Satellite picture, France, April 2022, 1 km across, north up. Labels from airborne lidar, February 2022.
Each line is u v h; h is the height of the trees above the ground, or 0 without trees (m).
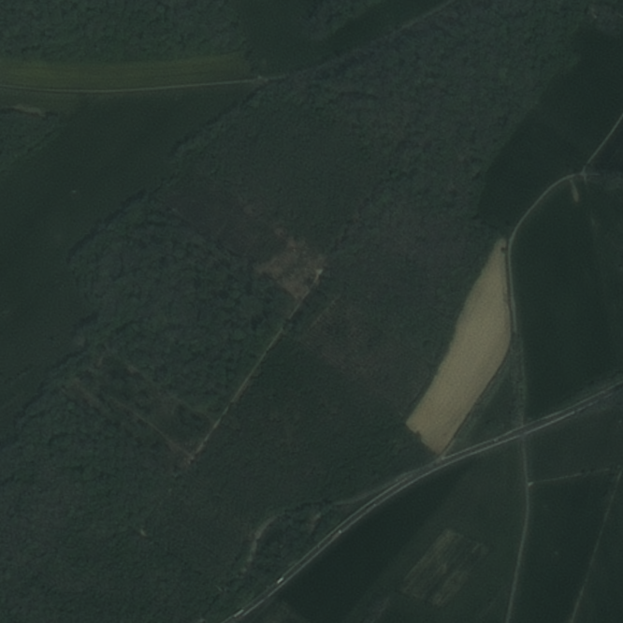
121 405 0
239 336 31
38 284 0
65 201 0
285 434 7
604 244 0
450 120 33
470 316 0
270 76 0
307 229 9
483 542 0
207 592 17
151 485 26
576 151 0
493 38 30
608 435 0
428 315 23
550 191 0
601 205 0
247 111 10
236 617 0
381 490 0
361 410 8
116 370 0
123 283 34
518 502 0
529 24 30
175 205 0
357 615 0
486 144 31
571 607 0
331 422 7
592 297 0
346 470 8
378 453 9
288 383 7
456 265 24
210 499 13
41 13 31
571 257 0
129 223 28
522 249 0
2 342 0
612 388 0
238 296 31
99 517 25
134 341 31
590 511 0
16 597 25
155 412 0
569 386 0
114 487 29
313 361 7
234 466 11
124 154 0
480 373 0
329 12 25
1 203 0
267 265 0
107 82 0
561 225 0
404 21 0
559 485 0
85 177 0
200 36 28
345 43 0
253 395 9
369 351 6
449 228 28
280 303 32
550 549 0
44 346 0
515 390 11
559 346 0
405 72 29
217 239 0
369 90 28
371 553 0
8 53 17
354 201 15
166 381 29
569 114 0
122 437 30
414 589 0
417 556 0
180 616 22
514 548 0
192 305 32
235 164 13
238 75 0
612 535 0
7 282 0
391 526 0
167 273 32
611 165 0
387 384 6
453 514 0
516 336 11
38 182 0
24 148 15
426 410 0
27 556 27
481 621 0
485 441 0
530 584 0
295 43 0
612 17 22
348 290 18
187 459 0
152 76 0
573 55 19
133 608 16
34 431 26
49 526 28
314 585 0
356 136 11
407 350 6
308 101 15
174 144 0
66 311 0
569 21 20
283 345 8
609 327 0
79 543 23
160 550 20
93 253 25
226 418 9
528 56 31
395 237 26
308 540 20
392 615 0
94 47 25
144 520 27
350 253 21
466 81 28
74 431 31
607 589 0
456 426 0
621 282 0
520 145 0
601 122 0
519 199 0
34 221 0
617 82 0
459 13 0
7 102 0
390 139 11
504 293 0
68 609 13
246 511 15
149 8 31
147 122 0
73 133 0
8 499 27
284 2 0
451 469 0
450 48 30
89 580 22
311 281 0
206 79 0
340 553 0
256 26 0
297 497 11
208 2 29
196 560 16
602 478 0
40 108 0
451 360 0
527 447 0
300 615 0
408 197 27
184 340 27
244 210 0
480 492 0
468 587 0
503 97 27
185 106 0
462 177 32
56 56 25
